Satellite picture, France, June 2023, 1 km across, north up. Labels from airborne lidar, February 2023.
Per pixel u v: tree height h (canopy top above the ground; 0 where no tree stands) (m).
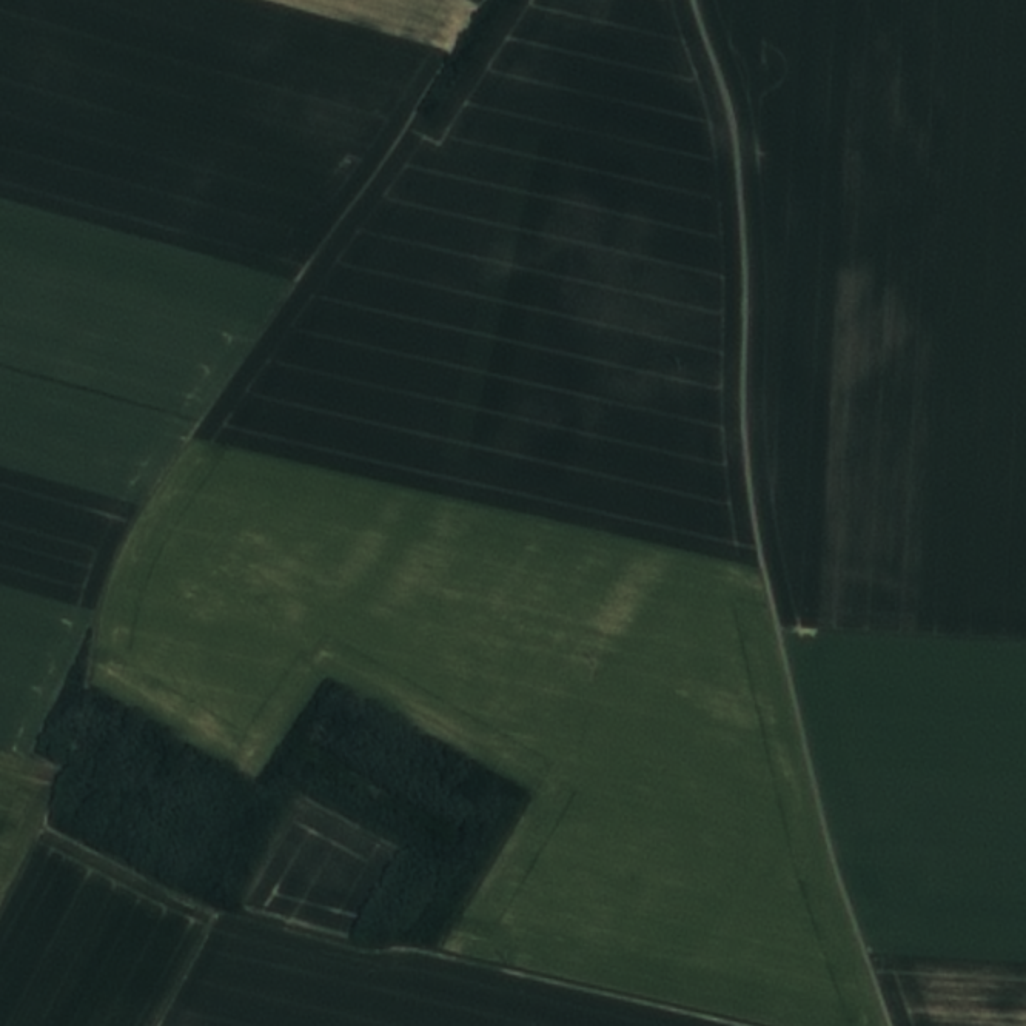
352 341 0
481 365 0
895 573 0
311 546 0
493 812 18
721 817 0
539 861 0
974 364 0
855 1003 0
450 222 0
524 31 0
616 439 0
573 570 0
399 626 0
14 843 0
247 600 0
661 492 0
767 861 0
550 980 0
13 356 0
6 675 0
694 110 0
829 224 0
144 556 0
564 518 0
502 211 0
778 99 0
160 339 0
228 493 0
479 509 0
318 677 0
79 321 0
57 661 0
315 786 16
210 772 17
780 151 0
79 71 0
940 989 0
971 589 0
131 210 0
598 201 0
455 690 0
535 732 0
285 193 0
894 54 0
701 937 0
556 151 0
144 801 17
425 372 0
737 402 0
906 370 0
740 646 0
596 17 0
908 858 0
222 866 16
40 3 0
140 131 0
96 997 0
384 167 0
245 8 0
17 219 0
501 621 0
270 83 0
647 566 0
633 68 0
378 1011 0
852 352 0
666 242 0
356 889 0
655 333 0
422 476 0
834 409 0
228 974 0
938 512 0
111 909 0
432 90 7
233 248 0
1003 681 0
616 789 0
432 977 0
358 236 0
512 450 0
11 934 0
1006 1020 0
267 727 0
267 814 20
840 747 0
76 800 16
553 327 0
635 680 0
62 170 0
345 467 0
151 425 0
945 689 0
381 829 12
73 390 0
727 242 0
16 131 0
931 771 0
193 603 0
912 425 0
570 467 0
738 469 0
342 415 0
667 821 0
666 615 0
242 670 0
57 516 0
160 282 0
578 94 0
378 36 0
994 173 0
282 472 0
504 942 0
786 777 0
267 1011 0
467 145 0
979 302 0
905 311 0
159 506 0
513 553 0
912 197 0
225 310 0
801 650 0
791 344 0
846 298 0
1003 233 0
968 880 0
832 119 0
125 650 0
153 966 0
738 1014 0
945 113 0
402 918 17
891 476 0
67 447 0
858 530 0
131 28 0
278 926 0
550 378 0
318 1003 0
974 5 0
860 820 0
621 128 0
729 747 0
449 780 15
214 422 0
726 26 0
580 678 0
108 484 0
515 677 0
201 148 0
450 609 0
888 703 0
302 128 0
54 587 0
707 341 0
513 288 0
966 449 0
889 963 0
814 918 0
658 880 0
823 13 0
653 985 0
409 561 0
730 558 0
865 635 0
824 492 0
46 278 0
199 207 0
